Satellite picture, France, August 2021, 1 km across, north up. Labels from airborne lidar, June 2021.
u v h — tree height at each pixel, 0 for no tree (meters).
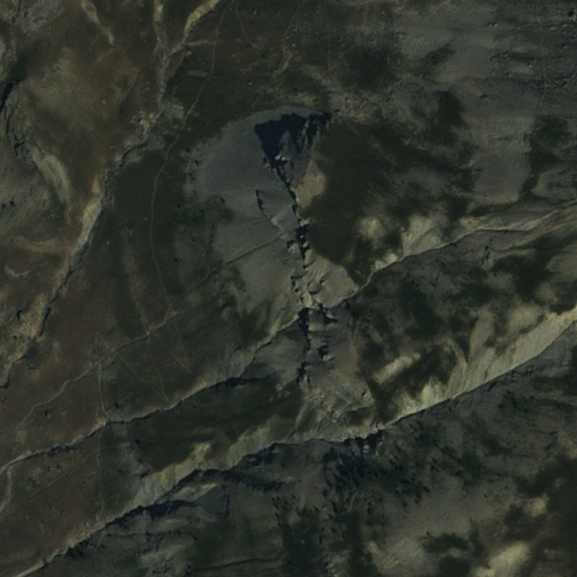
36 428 0
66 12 0
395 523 0
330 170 0
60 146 0
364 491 0
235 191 0
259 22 0
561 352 0
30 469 0
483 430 0
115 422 0
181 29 0
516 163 0
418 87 0
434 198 0
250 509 0
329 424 0
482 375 0
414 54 0
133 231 0
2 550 0
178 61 0
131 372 0
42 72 0
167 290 0
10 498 0
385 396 0
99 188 0
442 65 0
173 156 0
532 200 0
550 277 0
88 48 0
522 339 0
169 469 0
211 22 0
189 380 0
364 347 0
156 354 0
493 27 0
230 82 0
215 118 0
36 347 0
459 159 0
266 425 0
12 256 0
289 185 0
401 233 0
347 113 0
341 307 0
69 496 0
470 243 0
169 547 0
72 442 0
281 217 0
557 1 0
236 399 0
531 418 0
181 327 0
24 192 0
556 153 0
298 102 0
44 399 0
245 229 0
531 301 0
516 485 0
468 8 0
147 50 0
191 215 0
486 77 0
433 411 0
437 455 0
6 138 0
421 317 0
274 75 0
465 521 0
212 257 0
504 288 0
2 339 0
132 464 0
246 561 0
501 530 0
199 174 0
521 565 0
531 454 0
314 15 0
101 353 0
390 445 0
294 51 0
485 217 0
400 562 0
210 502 0
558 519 0
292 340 0
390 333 0
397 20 0
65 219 0
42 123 0
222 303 0
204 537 0
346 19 0
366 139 0
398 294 0
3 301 0
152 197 0
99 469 0
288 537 0
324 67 0
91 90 0
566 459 0
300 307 0
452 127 0
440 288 0
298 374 0
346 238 0
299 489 0
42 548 0
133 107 0
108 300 0
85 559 8
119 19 0
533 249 0
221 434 0
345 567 0
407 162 0
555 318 0
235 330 0
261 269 0
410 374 0
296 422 0
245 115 0
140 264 0
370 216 0
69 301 0
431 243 0
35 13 0
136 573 0
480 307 0
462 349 0
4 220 0
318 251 0
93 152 0
